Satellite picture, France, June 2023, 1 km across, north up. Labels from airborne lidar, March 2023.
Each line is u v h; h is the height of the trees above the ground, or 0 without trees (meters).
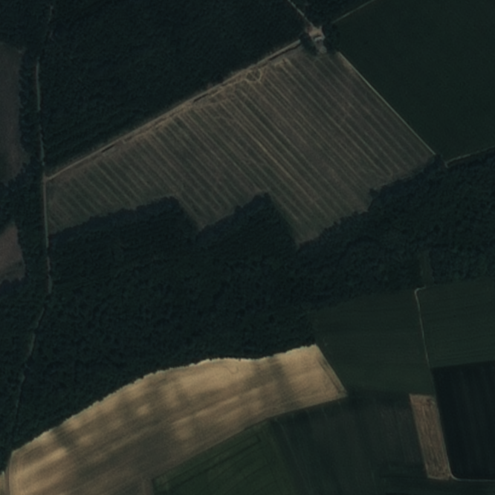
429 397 0
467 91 0
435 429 0
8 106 0
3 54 0
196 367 0
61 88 9
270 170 32
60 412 16
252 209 17
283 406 0
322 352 0
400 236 8
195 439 0
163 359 10
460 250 18
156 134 28
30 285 17
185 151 26
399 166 0
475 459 0
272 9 20
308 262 14
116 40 12
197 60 24
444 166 16
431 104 0
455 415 0
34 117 20
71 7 6
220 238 15
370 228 12
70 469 0
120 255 17
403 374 0
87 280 8
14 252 15
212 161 0
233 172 0
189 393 0
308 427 0
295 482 0
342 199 27
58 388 21
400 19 0
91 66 24
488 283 0
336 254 16
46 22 21
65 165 16
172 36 22
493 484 0
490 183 17
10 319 15
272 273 23
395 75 0
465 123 0
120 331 19
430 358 0
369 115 0
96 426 0
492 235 11
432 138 0
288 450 0
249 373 0
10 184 17
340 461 0
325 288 23
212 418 0
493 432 0
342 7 20
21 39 23
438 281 13
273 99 32
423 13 0
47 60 18
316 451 0
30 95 25
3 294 22
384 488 0
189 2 18
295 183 28
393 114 0
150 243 15
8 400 16
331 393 0
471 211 13
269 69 0
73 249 18
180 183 29
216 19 22
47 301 20
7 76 0
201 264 10
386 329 0
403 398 0
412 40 0
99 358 13
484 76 0
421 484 0
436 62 0
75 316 23
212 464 0
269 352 8
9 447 13
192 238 17
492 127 0
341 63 0
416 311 0
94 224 24
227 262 7
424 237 17
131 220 18
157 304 9
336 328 0
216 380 0
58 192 0
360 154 26
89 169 0
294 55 0
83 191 0
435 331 0
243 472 0
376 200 19
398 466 0
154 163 25
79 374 20
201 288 8
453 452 0
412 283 7
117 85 29
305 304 17
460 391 0
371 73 0
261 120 26
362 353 0
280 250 12
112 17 11
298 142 29
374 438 0
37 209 19
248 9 20
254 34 22
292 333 8
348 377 0
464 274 12
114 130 13
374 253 16
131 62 16
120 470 0
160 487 0
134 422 0
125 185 0
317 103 25
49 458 0
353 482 0
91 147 16
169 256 9
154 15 19
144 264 18
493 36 0
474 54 0
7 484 0
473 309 0
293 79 28
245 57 20
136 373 10
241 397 0
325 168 29
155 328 6
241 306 8
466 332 0
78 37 18
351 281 20
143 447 0
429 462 0
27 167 24
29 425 14
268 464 0
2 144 0
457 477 0
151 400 0
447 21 0
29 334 19
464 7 0
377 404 0
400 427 0
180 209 22
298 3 19
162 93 15
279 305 13
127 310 11
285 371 0
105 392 10
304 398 0
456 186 15
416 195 19
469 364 0
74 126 16
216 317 20
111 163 0
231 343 14
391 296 0
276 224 19
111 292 8
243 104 29
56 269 11
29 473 0
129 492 0
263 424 0
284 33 15
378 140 0
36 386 17
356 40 0
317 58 0
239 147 30
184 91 12
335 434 0
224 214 23
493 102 0
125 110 12
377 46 0
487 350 0
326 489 0
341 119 23
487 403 0
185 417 0
